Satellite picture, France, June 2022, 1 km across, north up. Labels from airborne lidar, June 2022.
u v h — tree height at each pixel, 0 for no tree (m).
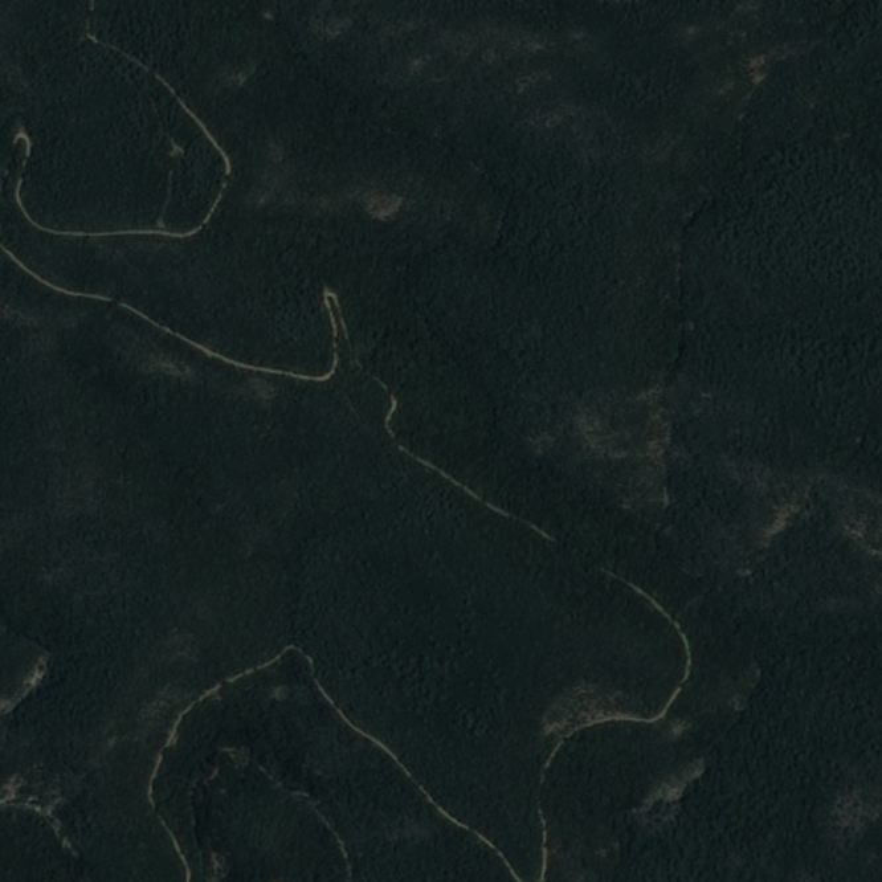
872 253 16
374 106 12
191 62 8
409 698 6
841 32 11
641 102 13
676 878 7
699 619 7
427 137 10
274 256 14
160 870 7
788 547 9
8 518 6
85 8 11
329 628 8
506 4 11
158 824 6
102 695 9
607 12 6
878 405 6
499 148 8
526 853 8
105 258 6
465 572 8
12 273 7
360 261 12
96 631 7
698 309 11
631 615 9
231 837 11
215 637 6
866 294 16
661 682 10
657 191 8
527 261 10
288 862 10
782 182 14
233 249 7
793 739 11
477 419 17
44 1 5
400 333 14
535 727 6
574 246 12
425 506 13
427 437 12
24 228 8
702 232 10
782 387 8
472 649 7
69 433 6
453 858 10
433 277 8
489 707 7
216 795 8
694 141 7
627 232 8
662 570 14
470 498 8
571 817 7
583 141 6
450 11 8
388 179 8
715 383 8
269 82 6
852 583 6
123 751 7
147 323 8
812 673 12
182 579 7
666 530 12
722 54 6
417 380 13
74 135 6
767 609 7
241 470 6
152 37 13
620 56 6
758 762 8
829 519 7
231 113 8
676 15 6
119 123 8
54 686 8
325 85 8
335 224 11
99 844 8
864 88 12
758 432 5
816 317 7
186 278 8
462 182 10
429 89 6
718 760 8
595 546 19
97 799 7
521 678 7
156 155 6
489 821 10
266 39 6
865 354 16
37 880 12
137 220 8
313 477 7
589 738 14
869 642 14
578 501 18
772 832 14
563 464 11
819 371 7
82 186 8
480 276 6
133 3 7
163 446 6
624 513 7
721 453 6
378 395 7
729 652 16
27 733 6
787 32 8
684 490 13
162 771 8
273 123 6
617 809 8
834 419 7
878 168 9
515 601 6
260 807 6
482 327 12
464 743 6
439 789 11
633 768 13
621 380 9
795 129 11
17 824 7
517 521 10
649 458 7
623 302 10
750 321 16
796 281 7
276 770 12
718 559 8
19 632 8
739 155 13
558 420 8
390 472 7
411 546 8
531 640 6
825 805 7
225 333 6
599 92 6
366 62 8
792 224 14
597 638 6
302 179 7
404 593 11
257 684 9
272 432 12
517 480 7
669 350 9
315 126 10
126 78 13
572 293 6
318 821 8
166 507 9
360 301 6
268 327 6
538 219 10
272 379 6
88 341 8
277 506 9
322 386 9
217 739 14
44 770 6
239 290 6
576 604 8
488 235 10
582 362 8
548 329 9
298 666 7
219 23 8
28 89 6
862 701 18
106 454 6
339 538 8
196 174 12
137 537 8
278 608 11
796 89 14
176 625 6
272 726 15
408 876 7
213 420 11
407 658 8
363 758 7
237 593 9
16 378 7
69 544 6
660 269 10
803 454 8
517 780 7
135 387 8
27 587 13
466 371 11
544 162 11
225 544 10
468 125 8
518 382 7
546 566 7
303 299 7
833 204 15
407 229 13
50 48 11
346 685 7
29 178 8
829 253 11
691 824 8
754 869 7
